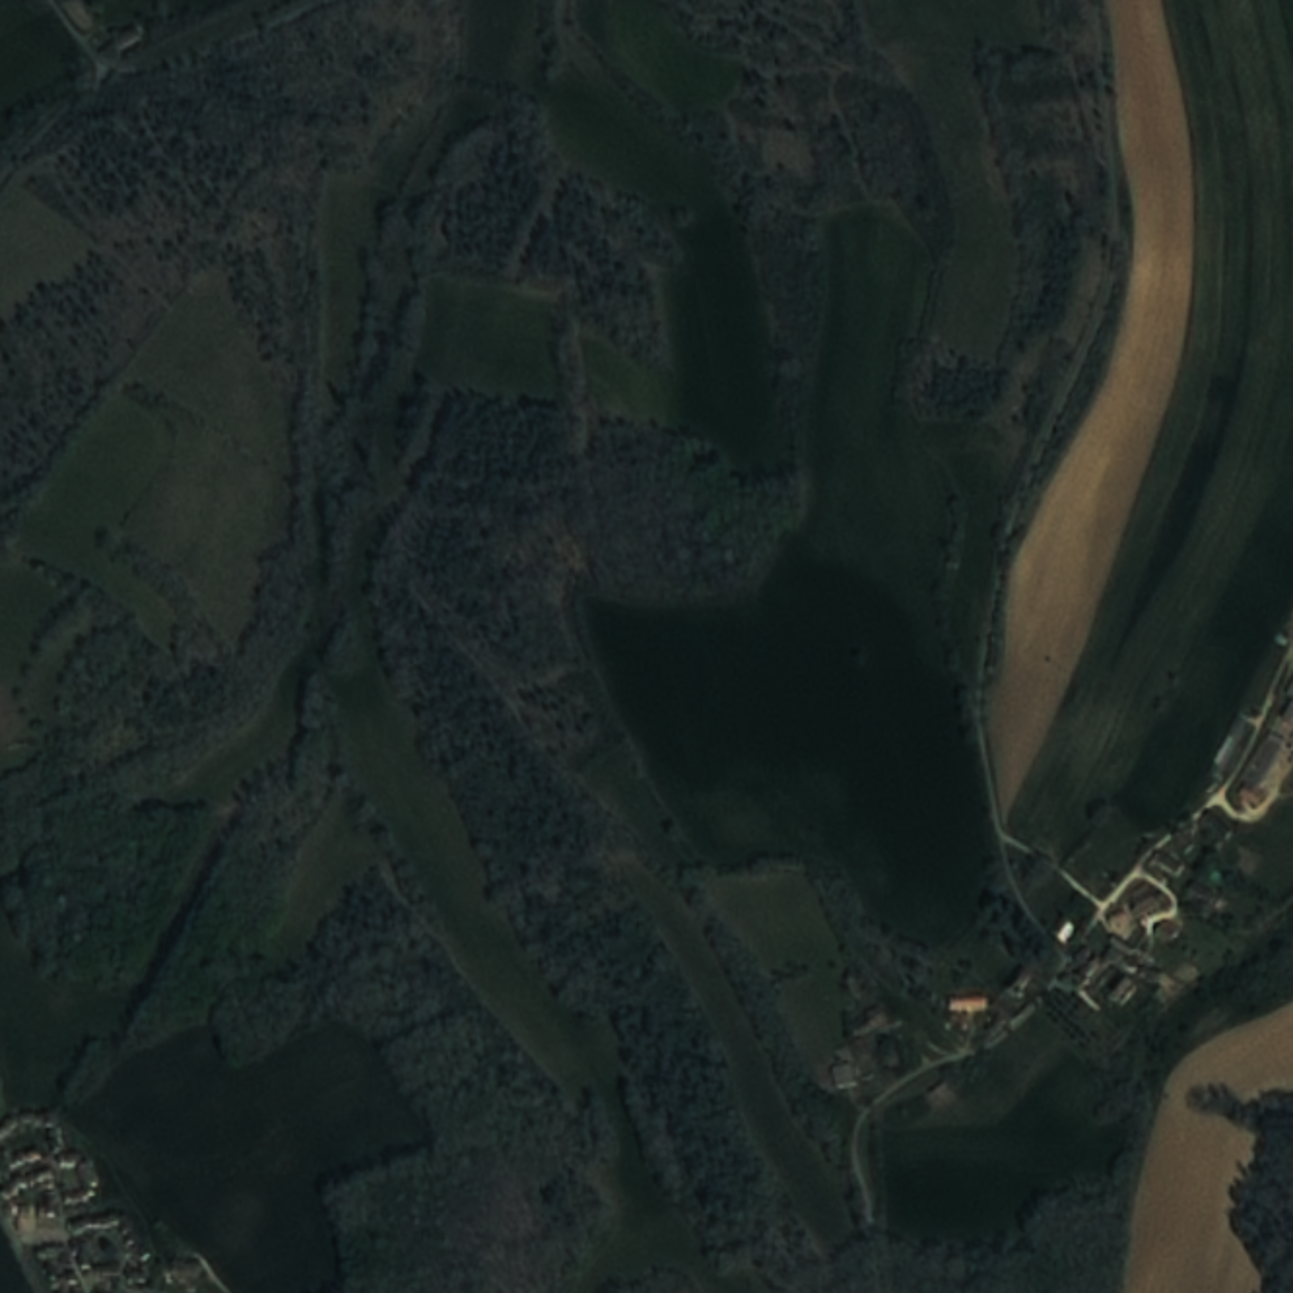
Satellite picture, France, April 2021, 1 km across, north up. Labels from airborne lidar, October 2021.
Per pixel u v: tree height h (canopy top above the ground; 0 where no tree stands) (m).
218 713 15
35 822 24
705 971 0
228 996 25
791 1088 12
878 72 18
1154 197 0
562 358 13
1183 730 0
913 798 0
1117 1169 12
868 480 0
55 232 0
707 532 24
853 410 0
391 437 0
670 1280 6
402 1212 13
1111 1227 22
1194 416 0
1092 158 17
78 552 0
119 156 5
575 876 11
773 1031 18
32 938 22
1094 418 0
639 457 12
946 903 0
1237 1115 13
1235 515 0
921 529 0
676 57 0
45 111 9
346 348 0
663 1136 15
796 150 0
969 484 0
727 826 0
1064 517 0
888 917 0
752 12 8
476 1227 15
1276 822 0
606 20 0
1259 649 0
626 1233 0
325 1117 0
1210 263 0
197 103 6
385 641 13
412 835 0
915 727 0
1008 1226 0
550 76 12
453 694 13
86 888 22
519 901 18
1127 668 0
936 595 6
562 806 13
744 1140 9
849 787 0
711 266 0
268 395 0
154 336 0
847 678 0
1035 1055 0
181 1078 0
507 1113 17
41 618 0
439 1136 15
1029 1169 0
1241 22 0
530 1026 0
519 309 0
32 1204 5
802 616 0
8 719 0
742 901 0
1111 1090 9
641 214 6
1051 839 0
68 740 11
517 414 11
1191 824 12
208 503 0
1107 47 0
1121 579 0
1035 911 0
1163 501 0
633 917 6
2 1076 0
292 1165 0
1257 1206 17
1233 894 13
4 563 13
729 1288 0
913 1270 22
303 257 8
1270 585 0
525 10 0
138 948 21
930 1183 0
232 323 0
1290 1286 8
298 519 15
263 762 0
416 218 14
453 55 6
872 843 0
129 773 21
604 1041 0
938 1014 11
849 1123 0
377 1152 0
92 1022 0
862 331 0
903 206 12
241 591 0
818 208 9
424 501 11
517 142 13
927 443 0
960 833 0
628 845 11
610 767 0
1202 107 0
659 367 5
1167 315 0
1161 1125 0
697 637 0
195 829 17
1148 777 0
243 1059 18
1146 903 0
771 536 16
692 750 0
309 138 8
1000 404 11
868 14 0
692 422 0
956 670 9
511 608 14
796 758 0
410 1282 19
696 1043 5
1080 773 0
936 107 0
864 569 0
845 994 12
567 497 10
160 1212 0
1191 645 0
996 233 0
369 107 11
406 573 11
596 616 0
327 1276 0
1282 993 12
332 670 12
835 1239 0
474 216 7
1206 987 8
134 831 24
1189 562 0
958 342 0
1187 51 0
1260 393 0
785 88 12
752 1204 9
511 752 10
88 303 6
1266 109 0
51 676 0
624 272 12
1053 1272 25
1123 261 14
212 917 20
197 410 0
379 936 10
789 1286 17
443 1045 20
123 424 0
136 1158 0
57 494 0
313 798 14
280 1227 0
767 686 0
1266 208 0
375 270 21
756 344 0
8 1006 0
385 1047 11
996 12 0
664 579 22
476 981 0
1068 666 0
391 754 0
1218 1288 0
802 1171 0
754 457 0
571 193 11
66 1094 15
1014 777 0
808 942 0
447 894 0
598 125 0
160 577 17
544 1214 14
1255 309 0
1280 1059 0
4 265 0
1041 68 11
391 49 6
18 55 0
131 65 7
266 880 19
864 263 0
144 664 14
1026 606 0
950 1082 13
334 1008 13
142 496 0
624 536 23
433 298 0
